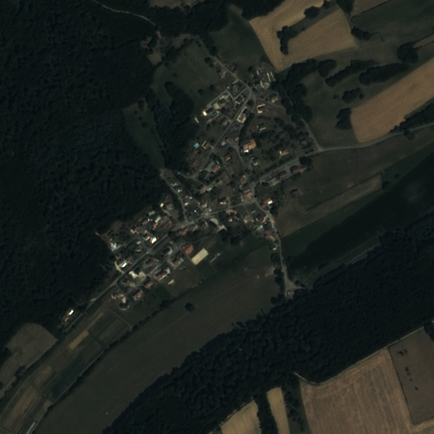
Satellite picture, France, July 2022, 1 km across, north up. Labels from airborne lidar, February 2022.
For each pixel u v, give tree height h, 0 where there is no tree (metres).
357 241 0
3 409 0
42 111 20
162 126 22
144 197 11
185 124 25
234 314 0
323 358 28
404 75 0
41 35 23
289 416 7
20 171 10
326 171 0
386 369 0
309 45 0
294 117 11
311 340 26
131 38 9
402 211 0
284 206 0
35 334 0
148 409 22
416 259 33
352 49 0
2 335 18
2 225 8
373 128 0
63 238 22
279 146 7
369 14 0
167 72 0
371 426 0
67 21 21
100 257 22
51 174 7
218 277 0
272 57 0
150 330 0
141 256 0
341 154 0
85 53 26
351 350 23
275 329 29
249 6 21
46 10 24
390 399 0
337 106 0
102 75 24
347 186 0
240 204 0
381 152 0
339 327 22
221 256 0
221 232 6
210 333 0
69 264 24
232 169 0
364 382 0
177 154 17
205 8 16
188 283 0
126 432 23
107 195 18
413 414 0
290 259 8
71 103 18
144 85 18
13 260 23
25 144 23
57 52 15
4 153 17
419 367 0
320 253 0
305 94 16
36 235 7
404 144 0
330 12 0
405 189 0
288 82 16
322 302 19
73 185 23
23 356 0
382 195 0
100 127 20
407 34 0
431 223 16
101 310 0
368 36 13
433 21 0
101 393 0
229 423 0
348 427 0
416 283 18
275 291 0
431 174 0
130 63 14
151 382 0
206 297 0
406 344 0
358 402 0
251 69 10
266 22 0
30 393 0
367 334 23
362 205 0
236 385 19
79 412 0
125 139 7
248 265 0
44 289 22
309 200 0
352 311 24
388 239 20
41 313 22
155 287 0
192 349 0
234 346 26
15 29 23
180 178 7
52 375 0
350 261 0
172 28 17
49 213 20
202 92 10
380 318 21
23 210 7
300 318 30
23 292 26
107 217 23
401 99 0
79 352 0
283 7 0
